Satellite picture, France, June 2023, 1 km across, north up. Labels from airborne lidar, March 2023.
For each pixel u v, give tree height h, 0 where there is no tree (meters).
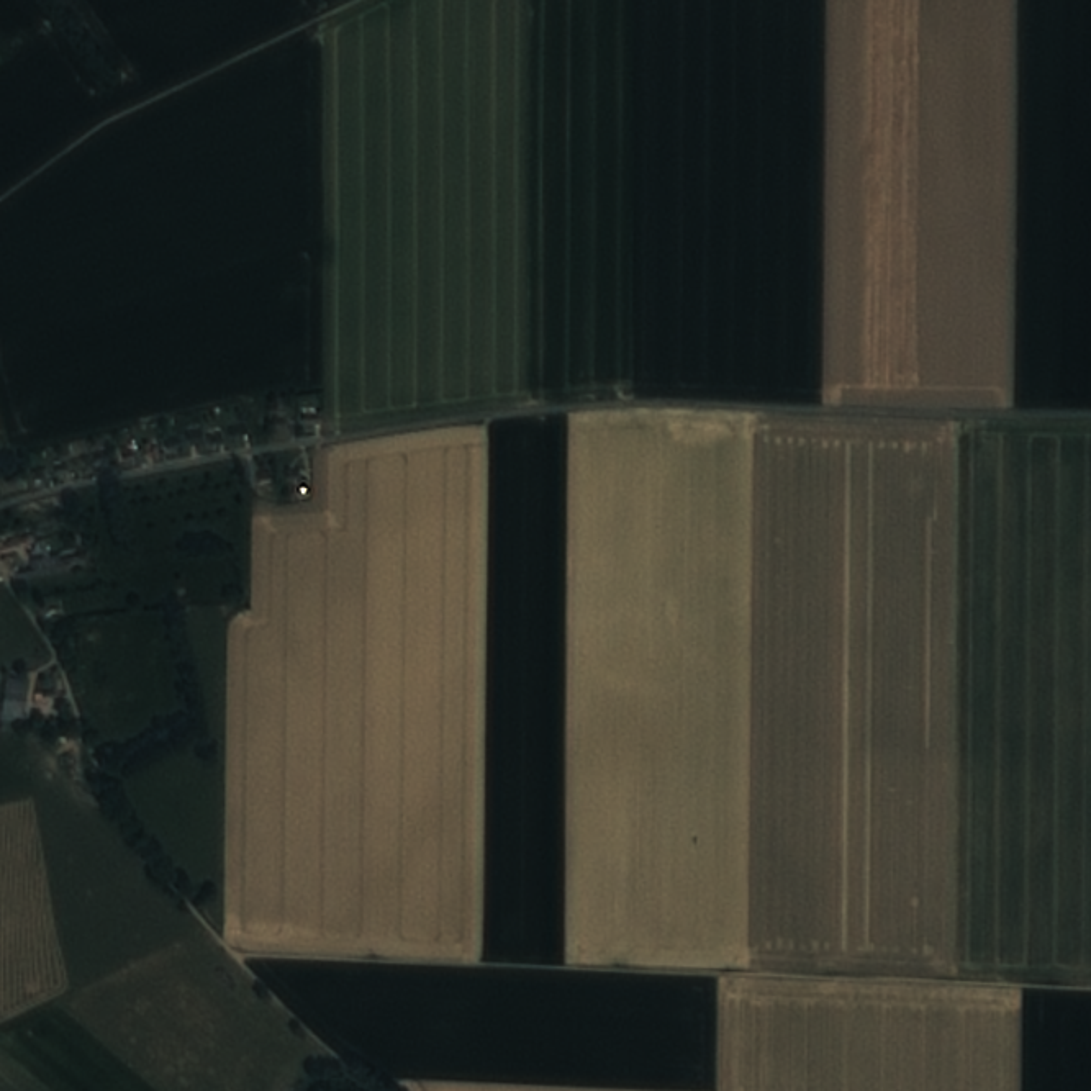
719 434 0
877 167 0
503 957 0
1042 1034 0
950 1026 0
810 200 0
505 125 0
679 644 0
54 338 0
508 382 0
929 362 0
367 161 0
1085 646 0
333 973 0
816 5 0
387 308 0
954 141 0
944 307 0
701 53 0
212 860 0
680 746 0
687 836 0
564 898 0
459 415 0
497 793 0
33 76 0
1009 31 0
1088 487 0
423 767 0
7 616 0
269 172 0
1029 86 0
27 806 0
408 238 0
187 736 21
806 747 0
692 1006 0
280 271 0
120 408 0
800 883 0
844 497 0
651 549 0
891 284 0
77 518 22
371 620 0
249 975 0
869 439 0
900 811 0
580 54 0
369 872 0
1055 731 0
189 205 0
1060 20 0
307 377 0
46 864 0
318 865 0
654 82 0
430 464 0
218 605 0
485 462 0
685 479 0
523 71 0
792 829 0
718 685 0
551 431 0
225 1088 0
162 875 16
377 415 0
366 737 0
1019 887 0
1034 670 0
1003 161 0
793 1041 0
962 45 0
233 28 0
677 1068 0
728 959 0
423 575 0
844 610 0
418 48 0
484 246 0
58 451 8
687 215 0
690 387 0
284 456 0
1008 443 0
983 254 0
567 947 0
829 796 0
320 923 0
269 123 0
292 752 0
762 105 0
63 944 0
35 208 0
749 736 0
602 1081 0
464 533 0
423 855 0
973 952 0
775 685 0
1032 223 0
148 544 0
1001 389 0
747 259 0
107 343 0
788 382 0
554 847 0
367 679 0
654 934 0
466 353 0
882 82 0
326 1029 0
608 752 0
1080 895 0
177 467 0
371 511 0
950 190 0
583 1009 0
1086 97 0
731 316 0
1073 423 0
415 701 0
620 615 0
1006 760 0
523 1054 0
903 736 0
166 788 0
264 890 0
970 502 0
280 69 0
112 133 0
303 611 0
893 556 0
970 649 0
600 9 0
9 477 7
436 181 0
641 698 0
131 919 0
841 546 0
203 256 0
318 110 0
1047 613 0
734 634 0
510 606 0
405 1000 0
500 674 0
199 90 0
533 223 0
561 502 0
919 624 0
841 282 0
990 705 0
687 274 0
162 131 0
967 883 0
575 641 0
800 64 0
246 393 0
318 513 0
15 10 0
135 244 0
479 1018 0
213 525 0
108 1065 0
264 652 0
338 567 0
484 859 0
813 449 0
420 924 0
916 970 0
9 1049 0
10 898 0
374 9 0
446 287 0
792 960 0
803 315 0
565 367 0
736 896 0
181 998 0
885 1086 0
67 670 11
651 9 0
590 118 0
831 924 0
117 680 0
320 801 0
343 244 0
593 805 0
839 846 0
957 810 0
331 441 0
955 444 0
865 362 0
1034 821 0
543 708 0
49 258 0
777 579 0
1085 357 0
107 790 25
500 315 0
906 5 0
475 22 0
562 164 0
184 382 0
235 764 0
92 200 0
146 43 0
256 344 0
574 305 0
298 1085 0
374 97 0
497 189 0
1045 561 0
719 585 0
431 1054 0
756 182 0
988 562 0
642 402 0
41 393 0
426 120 0
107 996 0
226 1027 0
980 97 0
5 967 0
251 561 0
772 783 0
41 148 0
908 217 0
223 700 0
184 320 0
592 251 0
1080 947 0
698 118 0
